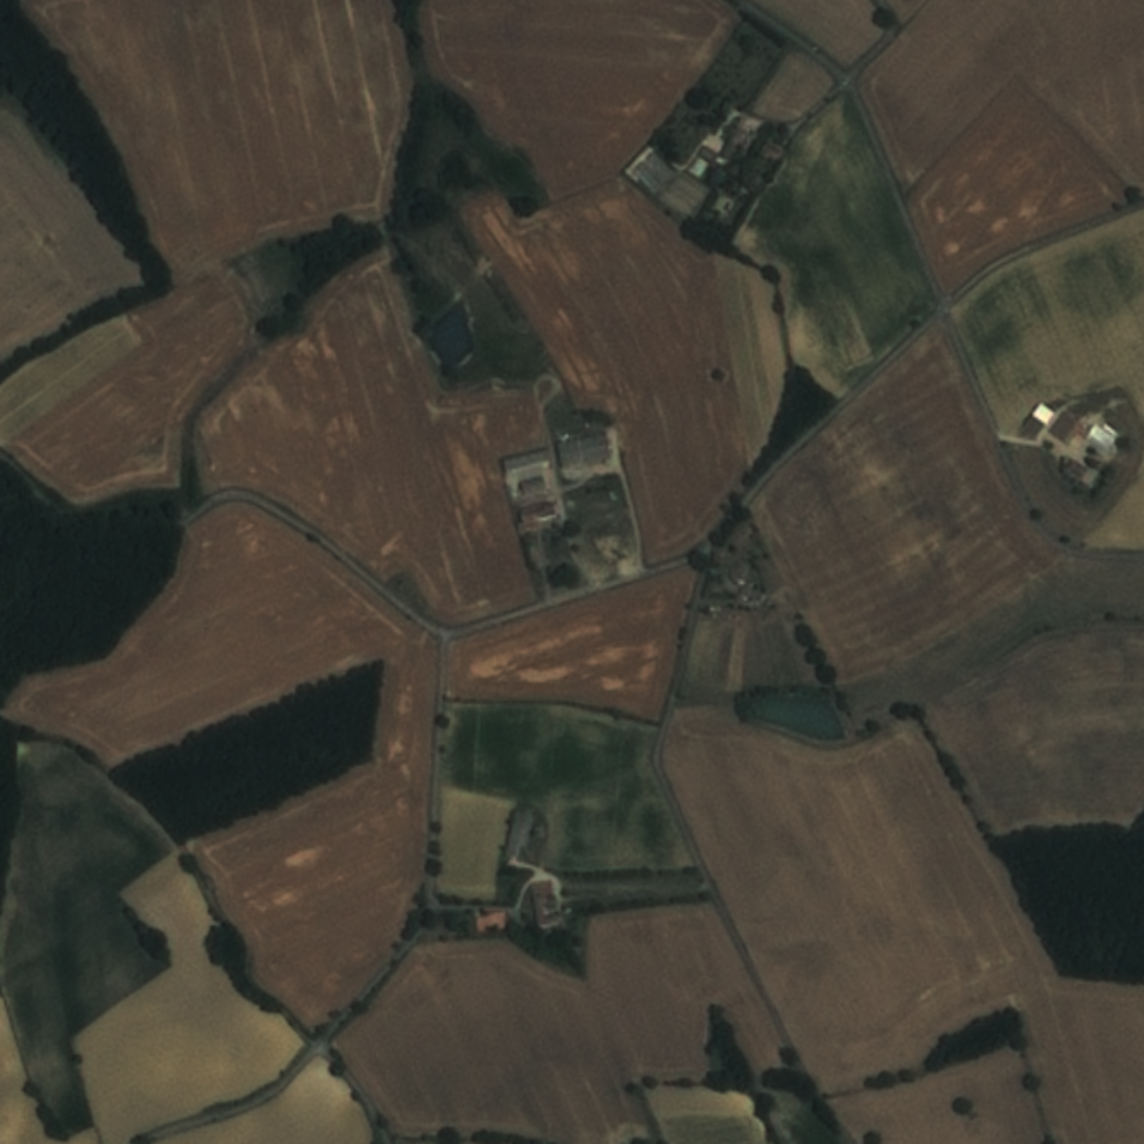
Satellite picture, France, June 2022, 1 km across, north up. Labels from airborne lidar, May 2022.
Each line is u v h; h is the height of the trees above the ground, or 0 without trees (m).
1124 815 0
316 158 0
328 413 0
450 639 0
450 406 0
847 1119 0
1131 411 0
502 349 0
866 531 0
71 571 16
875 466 0
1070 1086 0
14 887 0
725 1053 13
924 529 0
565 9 0
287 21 0
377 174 0
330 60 0
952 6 0
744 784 0
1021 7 0
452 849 0
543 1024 0
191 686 0
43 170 0
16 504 13
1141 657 0
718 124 8
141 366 0
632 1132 0
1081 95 0
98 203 18
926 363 0
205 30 0
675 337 0
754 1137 0
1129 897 14
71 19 0
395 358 0
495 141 0
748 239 0
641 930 0
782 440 12
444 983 0
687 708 0
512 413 0
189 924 0
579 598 0
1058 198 0
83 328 6
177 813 14
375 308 0
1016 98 0
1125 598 0
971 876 0
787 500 0
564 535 10
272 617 0
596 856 0
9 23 21
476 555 0
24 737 13
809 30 0
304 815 0
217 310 0
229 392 0
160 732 0
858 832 0
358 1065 0
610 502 0
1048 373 0
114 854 0
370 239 13
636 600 0
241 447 0
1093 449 9
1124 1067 0
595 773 0
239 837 0
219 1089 0
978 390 0
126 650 0
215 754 16
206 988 0
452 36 0
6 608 15
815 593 0
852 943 0
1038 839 15
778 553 0
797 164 0
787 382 9
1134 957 15
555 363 0
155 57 0
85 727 0
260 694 0
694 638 0
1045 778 0
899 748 0
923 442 0
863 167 0
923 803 0
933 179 0
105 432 0
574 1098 0
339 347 0
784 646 0
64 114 22
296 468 0
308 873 0
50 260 0
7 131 0
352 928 0
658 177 0
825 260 0
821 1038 0
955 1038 12
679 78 0
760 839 0
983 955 0
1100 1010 0
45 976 0
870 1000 0
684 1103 0
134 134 0
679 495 0
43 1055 0
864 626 0
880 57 0
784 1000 0
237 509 0
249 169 0
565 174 0
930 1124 0
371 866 0
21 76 21
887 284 0
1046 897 14
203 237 0
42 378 0
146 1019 0
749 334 0
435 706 0
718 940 0
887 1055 0
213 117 0
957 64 0
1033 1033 0
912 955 0
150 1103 0
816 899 0
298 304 24
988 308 0
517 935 11
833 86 0
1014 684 0
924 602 0
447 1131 11
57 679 0
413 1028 0
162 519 14
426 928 12
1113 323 0
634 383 0
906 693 0
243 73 0
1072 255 0
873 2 0
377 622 0
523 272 0
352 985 0
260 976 0
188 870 12
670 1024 0
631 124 0
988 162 0
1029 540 0
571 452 0
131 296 14
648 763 0
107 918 0
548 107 0
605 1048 0
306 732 15
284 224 0
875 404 0
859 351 0
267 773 16
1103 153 0
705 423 0
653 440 0
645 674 0
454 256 0
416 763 0
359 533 0
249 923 0
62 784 0
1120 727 0
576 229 0
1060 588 0
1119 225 0
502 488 0
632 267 0
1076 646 0
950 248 0
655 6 0
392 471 0
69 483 0
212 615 0
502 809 0
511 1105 0
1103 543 0
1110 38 0
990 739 0
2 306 0
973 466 0
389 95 0
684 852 0
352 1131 0
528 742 0
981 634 0
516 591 0
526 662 0
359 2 0
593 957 0
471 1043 0
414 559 0
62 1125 11
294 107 0
